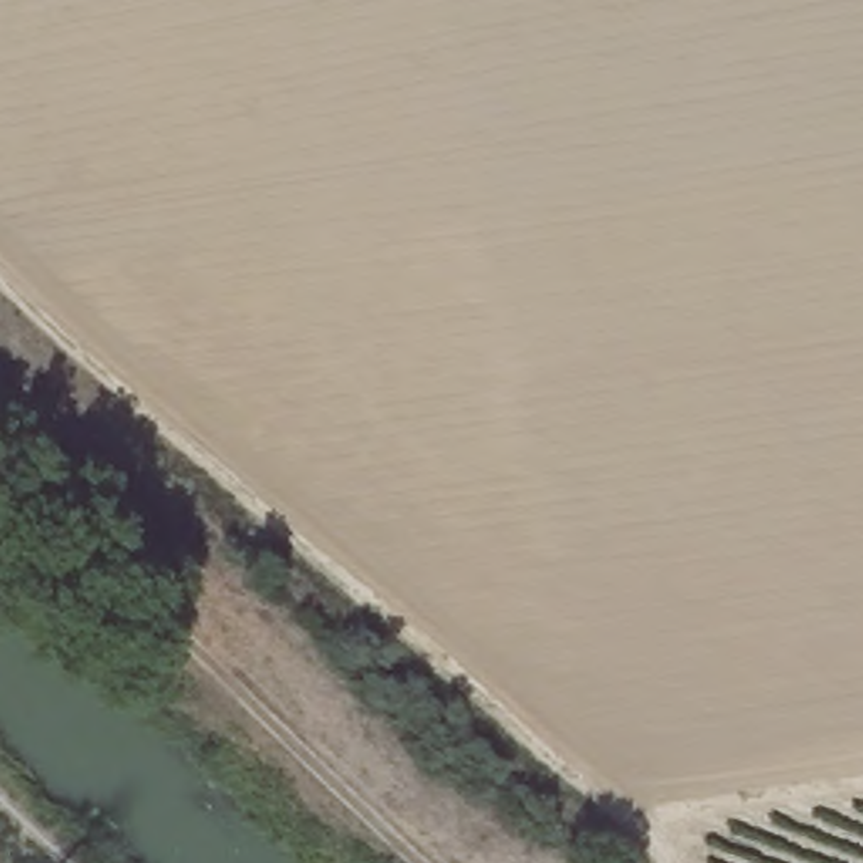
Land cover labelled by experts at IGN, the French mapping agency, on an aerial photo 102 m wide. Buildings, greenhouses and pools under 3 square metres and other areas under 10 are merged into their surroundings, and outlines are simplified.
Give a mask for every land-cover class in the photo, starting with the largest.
<instances>
[{"label":"plowed land","instance_id":"1","mask_svg":"<svg viewBox=\"0 0 863 863\"><path fill-rule=\"evenodd\" d=\"M0 293L13 300L24 310V317L37 324V330H44L61 351L78 367L105 388L128 394L135 415L148 418L158 438L165 442L179 448L189 462L206 469L226 492H233V499L246 512L260 523L266 516H280L290 529L297 556L327 573L354 603H364L381 617H398L401 637L418 654H425L442 678H462L472 688V701L566 785L590 796L607 792L617 799H630L647 816L651 863H708L705 836L725 833L732 819H745L765 829L772 823V812L806 819L816 806H829L846 816L853 809V799H863V0H0Z\"/></svg>","mask_w":863,"mask_h":863},{"label":"deciduous trees","instance_id":"2","mask_svg":"<svg viewBox=\"0 0 863 863\"><path fill-rule=\"evenodd\" d=\"M78 367L61 351L51 357L44 371H37L27 361L13 357L7 347H0V641H24L30 651V664L37 671H51L67 688L94 694L108 711L121 718H142L158 742L185 755V762L202 775L209 789L226 792L246 812V826L270 846L287 853L290 863H401L394 853L378 850L371 839L354 836L351 829H337L314 816L307 802L297 796L293 779L280 765L263 762L256 752H239L233 742L212 732H202L179 705L189 694L192 681L189 644L209 543L202 519L196 516L192 496L185 489L165 485L169 479L165 469H158V448L165 442L158 438L148 418L135 415L128 394L105 388L98 391L88 411H78L71 384ZM226 539L233 543L229 563L243 566L246 590L283 607L290 620L310 634L327 671L347 681V691L361 705V715L388 721L391 735L405 745L418 775L455 789L479 809H492V816L506 826L509 836L523 839L526 846L549 850L566 863H651L647 816L630 799H617L607 792L590 796L570 823V829H563L556 823V809H563L566 785L472 701V688L462 678H442L425 654H418L401 637L398 617H381L364 603H354L327 573L297 556L290 529L280 516H266L260 523L246 512L226 526ZM0 789H7L13 802H20L44 829H51L61 850H67L78 863H131L121 833L111 819H105L94 809L71 812L51 802L34 782V772L0 745ZM0 863H57L34 839L20 836L7 812H0Z\"/></svg>","mask_w":863,"mask_h":863},{"label":"herbaceous vegetation","instance_id":"3","mask_svg":"<svg viewBox=\"0 0 863 863\"><path fill-rule=\"evenodd\" d=\"M0 347H7L13 357L27 361L37 371H44L51 357L61 351L44 330H37V324L24 317V310L13 300L0 293ZM78 411H88L98 391L105 388L78 367L71 384ZM158 469H165L169 479L165 485L185 489L192 496L196 516L202 519L209 543L189 644L192 681L189 694L179 705L202 732H212L233 742L239 752H256L263 762L280 765L293 779L297 796L307 802L314 816L337 829H351L354 836L371 839L378 850L394 853L401 863H566L549 850L526 846L523 839L509 836L506 826L492 816V809H479L455 789L418 775L405 745L391 735L388 721L361 715V705L347 691V681L327 671L310 634L290 620L283 607L246 590L243 566L229 563L233 543L226 539V526L246 512L233 499V492H226L206 469L189 462L179 448L165 442L158 448ZM590 796L566 785L563 809H556V823L563 829H570V823Z\"/></svg>","mask_w":863,"mask_h":863},{"label":"water","instance_id":"4","mask_svg":"<svg viewBox=\"0 0 863 863\"><path fill-rule=\"evenodd\" d=\"M0 745L34 772V782L51 802L71 812L94 809L105 819H111L121 833L131 863H290L287 853L270 846L246 826V812L226 792L209 789L202 775L185 762V755L158 742L142 718H121L108 711L94 694L67 688L51 671H37L30 664V651L24 641H0Z\"/></svg>","mask_w":863,"mask_h":863},{"label":"vineyard","instance_id":"5","mask_svg":"<svg viewBox=\"0 0 863 863\"><path fill-rule=\"evenodd\" d=\"M708 863H863V799H853V809L846 816L829 806H816L806 819L772 812V823L765 829L745 819H732L725 833L705 836Z\"/></svg>","mask_w":863,"mask_h":863},{"label":"pervious surface","instance_id":"6","mask_svg":"<svg viewBox=\"0 0 863 863\"><path fill-rule=\"evenodd\" d=\"M0 812H7L20 836L34 839L57 863H78L67 850H61L51 829H44L20 802H13L7 789H0Z\"/></svg>","mask_w":863,"mask_h":863}]
</instances>
